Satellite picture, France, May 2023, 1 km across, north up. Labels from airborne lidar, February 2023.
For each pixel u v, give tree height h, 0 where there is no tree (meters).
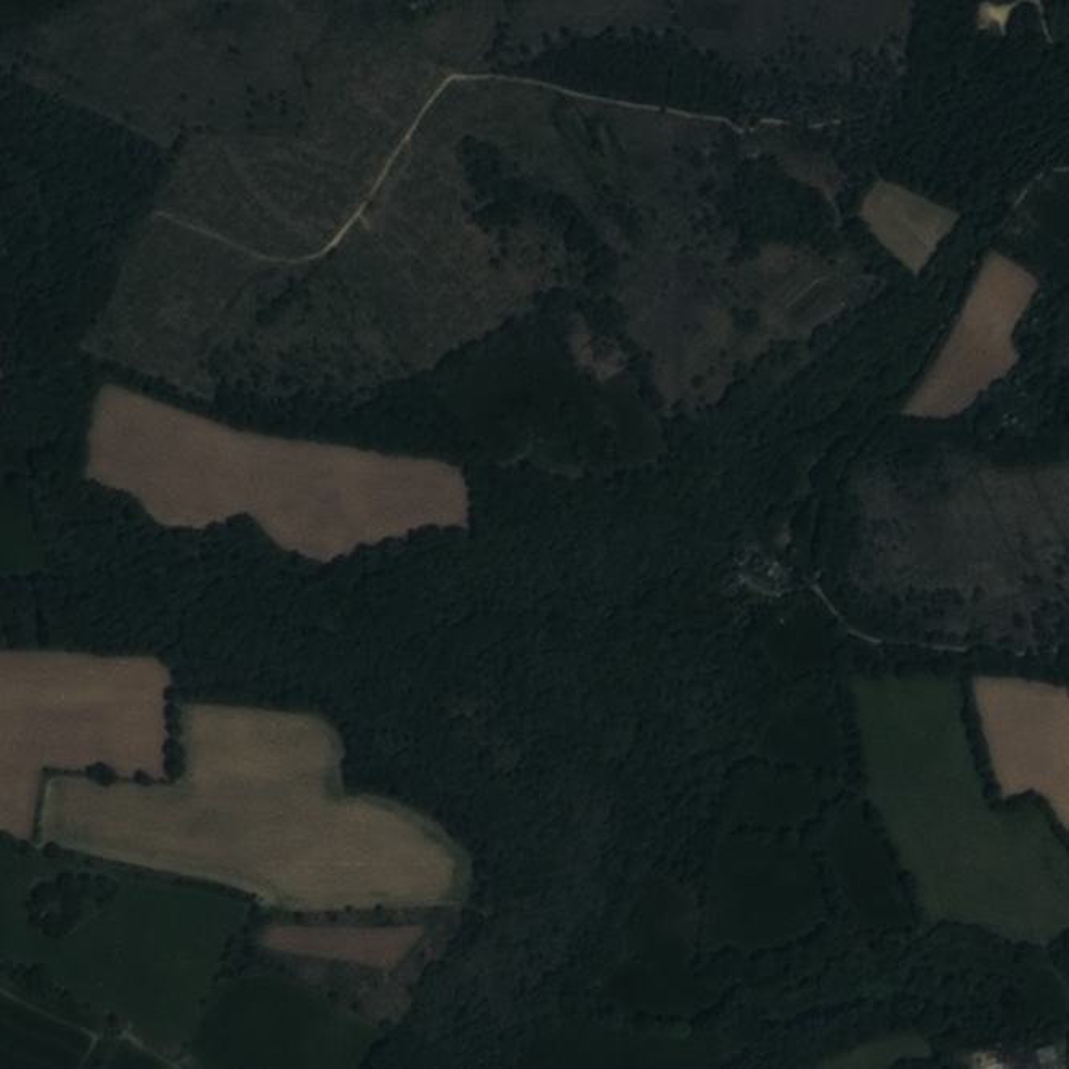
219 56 0
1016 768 0
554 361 0
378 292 0
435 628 12
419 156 0
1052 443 13
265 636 11
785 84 15
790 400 13
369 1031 0
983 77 10
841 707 7
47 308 10
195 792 0
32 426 21
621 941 9
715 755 8
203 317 0
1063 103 8
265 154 0
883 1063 0
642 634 15
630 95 9
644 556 12
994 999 6
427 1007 7
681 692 17
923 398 0
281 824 0
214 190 0
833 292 0
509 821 6
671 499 13
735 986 16
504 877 15
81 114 13
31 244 13
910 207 0
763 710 9
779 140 0
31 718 0
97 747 0
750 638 20
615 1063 0
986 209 11
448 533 14
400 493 0
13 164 8
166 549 16
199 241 0
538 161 0
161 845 0
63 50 0
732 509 12
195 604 16
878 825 13
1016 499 0
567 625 15
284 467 0
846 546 8
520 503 16
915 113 15
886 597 18
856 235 17
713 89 7
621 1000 0
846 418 19
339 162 0
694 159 8
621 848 9
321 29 0
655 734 13
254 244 0
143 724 0
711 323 0
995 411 15
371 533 0
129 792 0
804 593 6
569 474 16
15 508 0
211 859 0
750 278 0
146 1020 0
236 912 0
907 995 8
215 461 0
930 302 20
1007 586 0
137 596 17
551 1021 13
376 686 15
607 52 10
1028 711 0
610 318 12
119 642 11
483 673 12
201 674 21
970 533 0
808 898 0
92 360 16
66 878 13
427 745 14
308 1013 0
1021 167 10
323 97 0
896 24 0
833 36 0
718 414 16
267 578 16
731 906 0
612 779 6
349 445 15
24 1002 0
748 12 0
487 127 0
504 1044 11
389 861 0
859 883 0
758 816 0
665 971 0
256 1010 0
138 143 9
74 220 12
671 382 0
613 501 15
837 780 11
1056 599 0
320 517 0
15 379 16
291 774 0
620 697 11
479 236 0
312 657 12
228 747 0
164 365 0
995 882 0
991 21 0
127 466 0
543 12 0
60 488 19
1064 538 0
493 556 9
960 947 10
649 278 0
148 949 0
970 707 9
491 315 0
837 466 14
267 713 0
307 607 18
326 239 0
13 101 16
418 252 0
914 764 0
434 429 17
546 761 10
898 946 9
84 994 0
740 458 9
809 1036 22
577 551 13
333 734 0
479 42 0
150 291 0
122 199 12
